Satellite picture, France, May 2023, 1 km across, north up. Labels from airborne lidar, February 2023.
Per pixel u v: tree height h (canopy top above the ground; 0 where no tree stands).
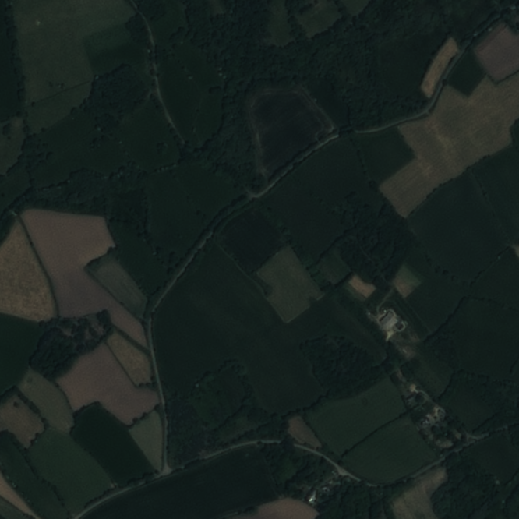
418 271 0
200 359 0
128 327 0
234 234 0
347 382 10
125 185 13
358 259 8
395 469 0
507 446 0
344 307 8
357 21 16
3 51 0
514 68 0
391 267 10
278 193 0
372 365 13
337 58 6
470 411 0
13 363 0
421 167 0
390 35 11
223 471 0
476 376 8
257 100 0
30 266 0
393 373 10
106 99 15
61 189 8
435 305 0
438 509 9
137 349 0
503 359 0
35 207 12
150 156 0
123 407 0
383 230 12
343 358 9
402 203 0
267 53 13
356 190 0
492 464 0
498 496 13
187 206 0
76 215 0
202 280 0
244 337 0
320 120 0
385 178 0
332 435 0
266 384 0
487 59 0
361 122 8
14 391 11
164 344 0
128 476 0
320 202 6
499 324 0
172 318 0
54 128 0
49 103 0
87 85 0
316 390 0
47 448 0
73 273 0
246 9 13
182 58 0
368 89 9
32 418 0
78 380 0
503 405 15
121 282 0
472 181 0
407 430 0
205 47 17
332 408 0
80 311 0
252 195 0
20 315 0
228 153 6
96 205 6
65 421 0
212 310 0
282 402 0
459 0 9
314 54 14
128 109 13
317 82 0
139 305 0
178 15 0
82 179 10
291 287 0
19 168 10
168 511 0
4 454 0
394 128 0
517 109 0
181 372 0
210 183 0
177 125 0
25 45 0
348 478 6
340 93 10
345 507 11
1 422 0
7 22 11
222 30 14
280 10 0
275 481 7
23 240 0
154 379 8
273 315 0
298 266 0
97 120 11
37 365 12
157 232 0
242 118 11
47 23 0
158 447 0
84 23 0
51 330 21
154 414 0
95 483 0
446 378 0
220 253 0
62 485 0
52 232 0
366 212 14
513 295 0
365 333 0
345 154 0
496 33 0
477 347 0
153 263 0
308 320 0
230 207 10
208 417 0
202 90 0
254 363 0
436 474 0
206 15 20
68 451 0
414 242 12
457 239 0
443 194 0
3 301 0
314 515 0
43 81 0
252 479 0
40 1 0
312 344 8
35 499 0
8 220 16
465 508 10
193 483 0
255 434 10
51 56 0
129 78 16
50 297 0
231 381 0
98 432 0
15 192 0
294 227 0
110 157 0
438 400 10
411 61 0
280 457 9
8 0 7
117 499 0
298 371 0
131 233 0
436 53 10
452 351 15
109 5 0
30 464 9
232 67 18
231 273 0
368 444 0
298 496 15
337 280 0
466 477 12
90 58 0
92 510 0
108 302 0
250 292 0
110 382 0
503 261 0
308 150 9
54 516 0
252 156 9
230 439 0
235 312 0
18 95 9
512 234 0
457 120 0
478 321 0
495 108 0
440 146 0
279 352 0
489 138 0
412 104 9
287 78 15
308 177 0
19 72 11
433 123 0
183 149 14
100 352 0
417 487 0
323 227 0
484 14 0
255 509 8
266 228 0
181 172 0
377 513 11
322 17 0
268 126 0
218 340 0
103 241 0
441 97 0
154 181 0
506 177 0
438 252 0
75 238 0
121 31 0
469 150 0
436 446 0
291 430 0
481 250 0
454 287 0
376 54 12
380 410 0
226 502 0
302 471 12
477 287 0
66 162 0
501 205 0
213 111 0
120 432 0
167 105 0
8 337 0
